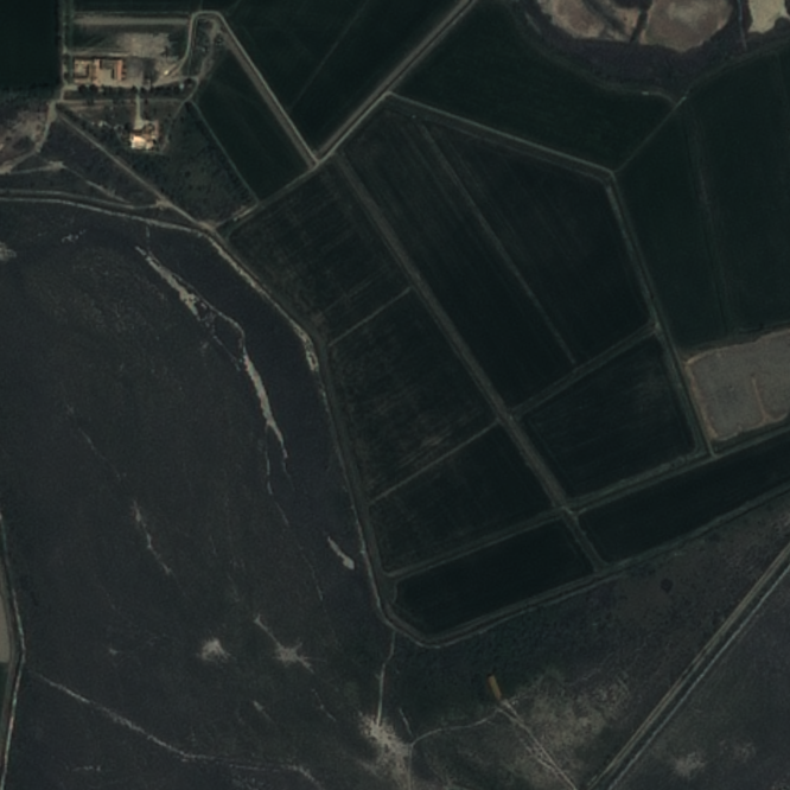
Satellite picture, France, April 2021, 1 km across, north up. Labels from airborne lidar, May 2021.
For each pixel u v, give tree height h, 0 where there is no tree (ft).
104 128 18
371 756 0
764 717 0
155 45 0
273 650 0
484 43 0
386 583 0
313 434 0
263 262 0
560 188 0
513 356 0
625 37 0
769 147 0
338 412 0
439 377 0
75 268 0
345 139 0
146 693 0
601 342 0
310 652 0
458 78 0
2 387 0
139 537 0
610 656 0
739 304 0
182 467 0
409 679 0
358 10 0
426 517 0
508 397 0
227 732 0
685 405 0
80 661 0
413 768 0
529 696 0
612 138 0
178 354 0
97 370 0
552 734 0
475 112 0
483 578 0
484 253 0
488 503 0
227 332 0
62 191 0
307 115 0
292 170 0
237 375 0
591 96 0
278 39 0
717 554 0
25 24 0
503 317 0
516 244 0
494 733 0
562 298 0
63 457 0
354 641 0
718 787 0
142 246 0
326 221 0
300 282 0
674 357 0
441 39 0
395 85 0
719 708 0
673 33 0
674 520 0
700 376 0
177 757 0
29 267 0
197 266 0
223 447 0
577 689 0
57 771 0
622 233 0
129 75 0
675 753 0
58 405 0
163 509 0
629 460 0
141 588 0
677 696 0
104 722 0
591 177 0
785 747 0
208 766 0
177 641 0
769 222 0
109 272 0
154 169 23
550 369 0
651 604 0
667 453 0
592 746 0
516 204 0
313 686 0
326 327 0
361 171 0
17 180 0
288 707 0
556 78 0
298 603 0
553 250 0
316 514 0
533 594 0
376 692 0
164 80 0
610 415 0
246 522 0
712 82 0
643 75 0
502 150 0
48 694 0
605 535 0
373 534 0
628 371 0
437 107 0
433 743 0
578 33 0
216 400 0
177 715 0
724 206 0
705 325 0
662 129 0
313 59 0
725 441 0
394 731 0
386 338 0
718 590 0
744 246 0
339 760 0
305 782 0
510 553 0
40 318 0
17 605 0
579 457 0
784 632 0
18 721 0
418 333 0
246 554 0
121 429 0
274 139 0
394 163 0
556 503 0
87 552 0
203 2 0
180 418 0
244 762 0
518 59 0
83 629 0
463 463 0
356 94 0
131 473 0
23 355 0
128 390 0
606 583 0
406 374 0
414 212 0
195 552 0
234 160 0
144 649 0
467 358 0
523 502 0
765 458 0
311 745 0
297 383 0
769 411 0
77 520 0
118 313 0
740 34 0
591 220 0
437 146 0
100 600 0
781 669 0
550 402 0
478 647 21
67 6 50
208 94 0
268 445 0
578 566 0
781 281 0
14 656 0
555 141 0
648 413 0
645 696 0
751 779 0
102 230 0
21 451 0
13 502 0
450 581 0
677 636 0
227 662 0
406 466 0
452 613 0
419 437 0
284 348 0
